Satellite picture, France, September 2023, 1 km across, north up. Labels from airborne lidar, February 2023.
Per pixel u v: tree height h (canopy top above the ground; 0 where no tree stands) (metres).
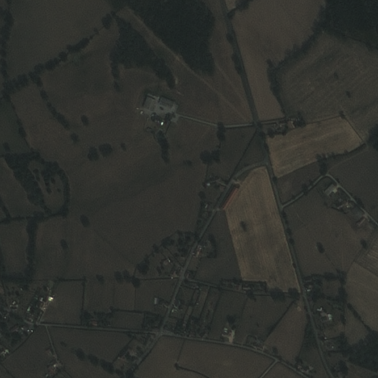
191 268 0
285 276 0
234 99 0
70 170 0
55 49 0
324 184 0
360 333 0
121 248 0
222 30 0
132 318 0
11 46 0
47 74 0
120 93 0
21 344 0
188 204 0
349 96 10
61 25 0
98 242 0
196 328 0
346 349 10
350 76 0
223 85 0
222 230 0
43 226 0
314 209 0
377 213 0
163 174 0
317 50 0
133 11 18
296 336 0
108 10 0
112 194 0
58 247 0
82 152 0
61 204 0
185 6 22
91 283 0
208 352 0
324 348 0
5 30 15
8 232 0
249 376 0
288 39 0
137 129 0
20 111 0
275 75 14
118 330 0
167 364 0
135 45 20
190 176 0
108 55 0
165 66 22
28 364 0
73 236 0
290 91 0
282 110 6
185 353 0
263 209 0
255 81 0
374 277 0
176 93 0
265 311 0
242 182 0
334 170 0
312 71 0
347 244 0
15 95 0
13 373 0
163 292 0
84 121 15
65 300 0
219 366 0
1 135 0
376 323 0
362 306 0
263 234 0
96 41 0
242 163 0
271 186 0
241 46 0
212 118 0
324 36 0
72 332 0
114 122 0
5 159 11
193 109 0
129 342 0
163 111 0
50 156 0
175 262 0
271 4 0
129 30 20
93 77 0
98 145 0
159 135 9
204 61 24
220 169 0
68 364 0
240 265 0
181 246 11
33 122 0
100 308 0
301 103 0
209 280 0
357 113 0
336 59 0
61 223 0
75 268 0
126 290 0
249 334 0
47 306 0
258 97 0
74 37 0
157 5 21
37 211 0
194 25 24
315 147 0
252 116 0
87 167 0
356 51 0
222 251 0
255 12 0
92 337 0
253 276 0
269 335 6
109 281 0
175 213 0
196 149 0
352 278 0
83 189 0
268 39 0
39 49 0
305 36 0
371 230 0
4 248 0
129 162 0
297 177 0
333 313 0
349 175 0
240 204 0
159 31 21
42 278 0
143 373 0
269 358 0
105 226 0
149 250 0
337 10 18
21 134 17
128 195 0
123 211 0
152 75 0
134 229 0
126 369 0
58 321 0
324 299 12
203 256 0
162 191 0
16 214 0
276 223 0
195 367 0
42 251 0
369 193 0
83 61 0
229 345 0
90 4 0
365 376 0
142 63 16
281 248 0
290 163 0
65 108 0
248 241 0
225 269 0
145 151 0
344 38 17
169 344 0
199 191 0
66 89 0
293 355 0
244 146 0
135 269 0
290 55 19
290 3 0
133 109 0
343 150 0
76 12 0
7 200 0
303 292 0
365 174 0
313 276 6
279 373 0
